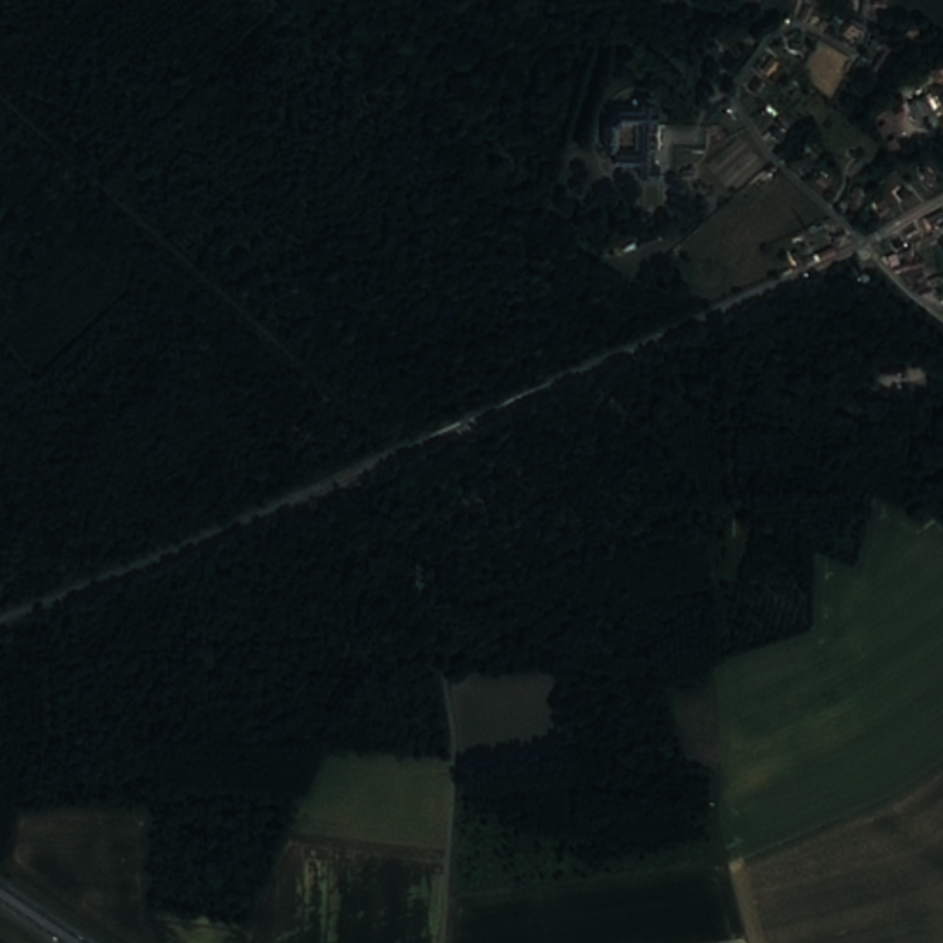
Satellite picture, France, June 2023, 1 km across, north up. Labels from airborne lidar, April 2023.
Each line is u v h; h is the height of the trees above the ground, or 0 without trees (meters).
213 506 18
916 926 0
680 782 20
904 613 0
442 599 22
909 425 27
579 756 24
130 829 0
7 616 0
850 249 0
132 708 23
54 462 15
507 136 25
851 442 25
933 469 13
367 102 19
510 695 0
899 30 17
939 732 0
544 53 30
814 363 23
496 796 8
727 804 0
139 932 0
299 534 23
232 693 24
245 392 12
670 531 19
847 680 0
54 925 0
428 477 19
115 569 0
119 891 0
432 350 20
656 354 24
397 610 25
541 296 21
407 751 14
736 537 0
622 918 0
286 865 0
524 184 23
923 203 0
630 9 27
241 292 16
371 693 25
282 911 0
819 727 0
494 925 0
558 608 16
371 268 16
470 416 0
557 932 0
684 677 15
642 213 8
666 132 0
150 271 21
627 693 16
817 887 0
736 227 0
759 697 0
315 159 22
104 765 25
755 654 0
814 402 20
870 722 0
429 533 24
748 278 0
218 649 19
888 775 0
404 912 0
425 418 19
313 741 31
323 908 0
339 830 0
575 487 17
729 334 22
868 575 0
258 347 20
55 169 22
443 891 0
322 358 15
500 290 18
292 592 17
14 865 0
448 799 0
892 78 16
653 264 10
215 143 17
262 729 27
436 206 20
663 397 25
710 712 0
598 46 16
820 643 0
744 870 0
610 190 21
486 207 19
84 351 17
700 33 29
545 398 16
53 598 0
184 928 0
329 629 27
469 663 19
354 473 0
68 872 0
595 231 20
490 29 27
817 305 21
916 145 22
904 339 24
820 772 0
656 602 15
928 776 0
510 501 18
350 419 13
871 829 0
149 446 15
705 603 28
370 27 27
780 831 0
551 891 0
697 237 0
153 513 18
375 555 25
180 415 15
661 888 0
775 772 0
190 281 19
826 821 0
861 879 0
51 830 0
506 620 11
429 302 18
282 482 24
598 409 18
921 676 0
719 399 31
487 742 0
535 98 25
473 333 17
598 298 21
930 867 0
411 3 26
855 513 18
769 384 23
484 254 19
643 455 22
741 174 0
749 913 0
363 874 0
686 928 0
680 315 8
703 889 0
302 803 0
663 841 6
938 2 0
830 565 0
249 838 27
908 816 0
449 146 22
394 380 21
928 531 0
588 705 23
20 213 17
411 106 22
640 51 26
